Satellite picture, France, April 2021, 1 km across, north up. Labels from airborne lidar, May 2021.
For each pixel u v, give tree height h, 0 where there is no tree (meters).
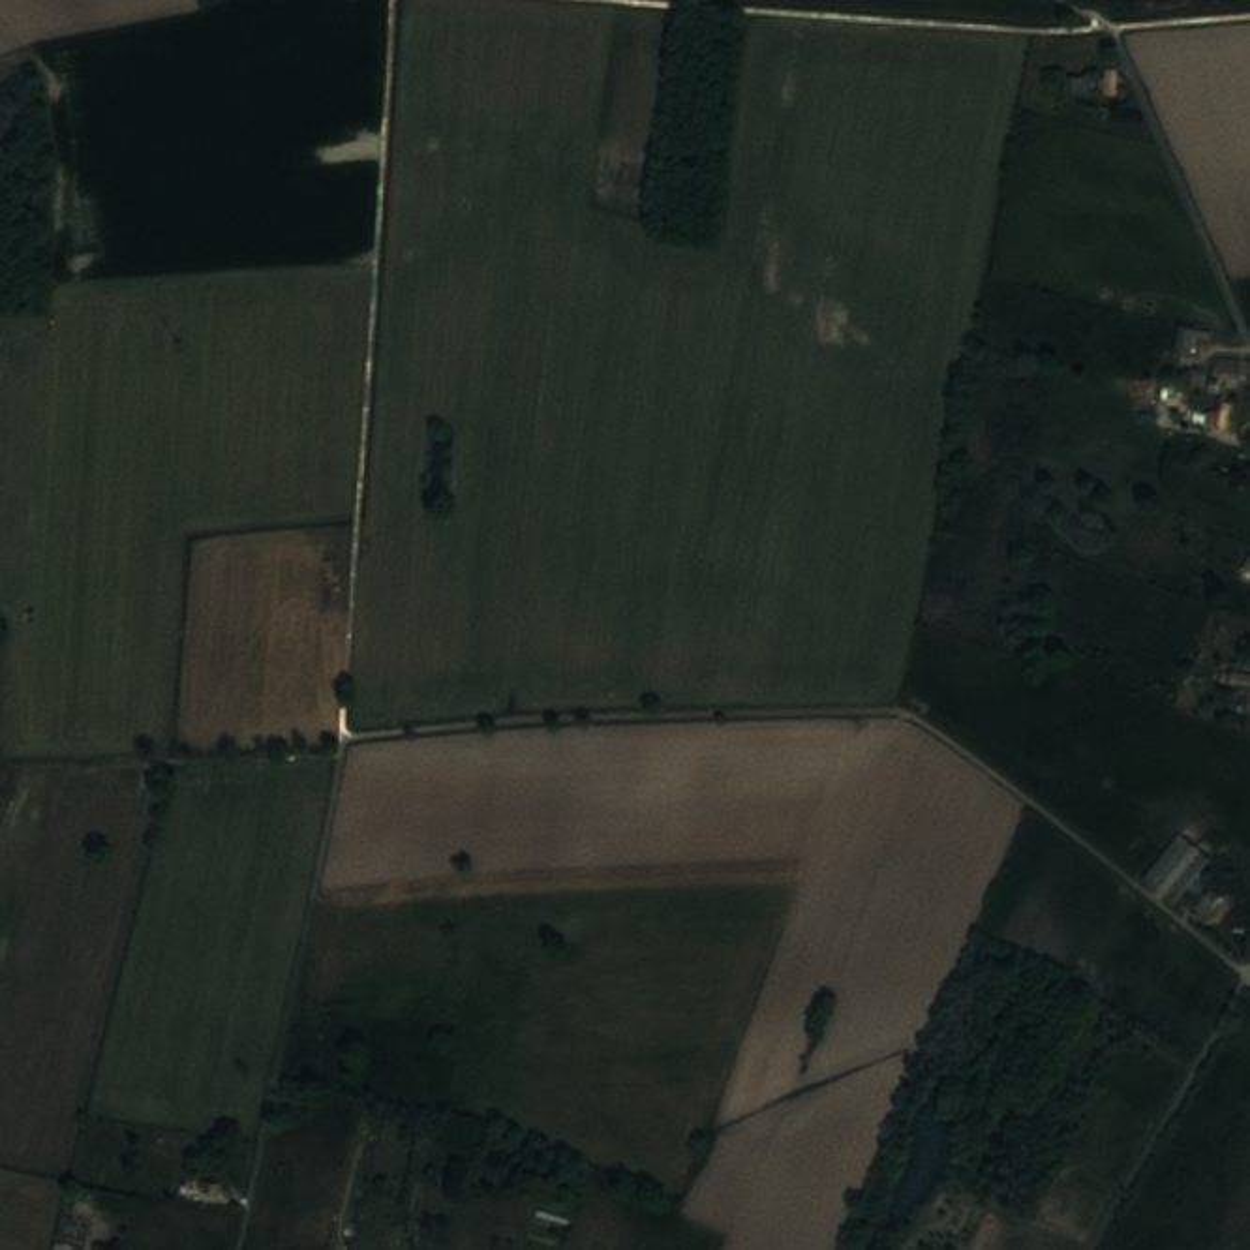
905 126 0
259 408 0
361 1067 11
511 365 0
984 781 0
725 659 0
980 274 0
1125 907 0
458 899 0
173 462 0
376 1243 0
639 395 0
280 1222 0
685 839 0
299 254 0
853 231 0
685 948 0
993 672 0
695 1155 10
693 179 21
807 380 0
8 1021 0
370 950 0
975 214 0
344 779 0
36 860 0
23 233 25
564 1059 0
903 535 0
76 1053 0
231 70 0
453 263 0
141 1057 0
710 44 17
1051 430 0
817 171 0
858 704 0
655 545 0
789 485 0
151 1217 0
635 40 0
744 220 0
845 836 0
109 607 0
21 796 0
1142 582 0
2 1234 0
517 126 0
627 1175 13
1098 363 0
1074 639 0
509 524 0
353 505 0
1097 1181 0
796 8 0
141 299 0
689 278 0
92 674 0
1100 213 0
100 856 16
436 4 0
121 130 0
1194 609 0
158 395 0
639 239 0
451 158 0
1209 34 0
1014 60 0
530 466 0
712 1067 0
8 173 18
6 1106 0
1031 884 0
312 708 0
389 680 0
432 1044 7
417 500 0
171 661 0
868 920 0
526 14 0
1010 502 0
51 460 0
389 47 0
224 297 0
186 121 0
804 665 0
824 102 0
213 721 0
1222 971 0
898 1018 0
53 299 14
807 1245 0
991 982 12
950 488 12
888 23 0
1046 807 0
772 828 0
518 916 0
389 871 0
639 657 0
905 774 0
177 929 0
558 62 0
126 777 0
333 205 0
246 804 0
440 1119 12
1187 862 0
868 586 0
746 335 0
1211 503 0
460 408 0
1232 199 0
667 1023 0
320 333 0
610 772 0
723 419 0
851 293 0
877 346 0
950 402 12
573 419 0
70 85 0
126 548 0
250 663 0
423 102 0
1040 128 0
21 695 0
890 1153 13
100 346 0
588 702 0
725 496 0
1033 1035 23
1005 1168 12
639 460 0
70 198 0
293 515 0
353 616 0
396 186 0
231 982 0
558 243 0
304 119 0
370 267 0
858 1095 0
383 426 0
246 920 0
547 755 0
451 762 0
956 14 0
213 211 0
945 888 0
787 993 0
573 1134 0
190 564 0
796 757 0
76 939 0
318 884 0
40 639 0
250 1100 0
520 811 0
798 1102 0
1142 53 0
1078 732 0
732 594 0
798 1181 0
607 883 0
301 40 0
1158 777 0
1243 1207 0
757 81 0
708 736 0
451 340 0
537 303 0
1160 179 0
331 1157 0
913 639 0
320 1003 0
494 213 0
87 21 0
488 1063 0
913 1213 6
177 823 0
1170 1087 0
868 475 0
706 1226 0
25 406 0
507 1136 9
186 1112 0
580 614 0
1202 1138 0
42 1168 0
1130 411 0
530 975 0
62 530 0
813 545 0
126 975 0
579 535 0
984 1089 20
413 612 0
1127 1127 0
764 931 0
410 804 0
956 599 0
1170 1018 0
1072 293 0
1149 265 0
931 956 0
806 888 0
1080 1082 12
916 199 0
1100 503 15
